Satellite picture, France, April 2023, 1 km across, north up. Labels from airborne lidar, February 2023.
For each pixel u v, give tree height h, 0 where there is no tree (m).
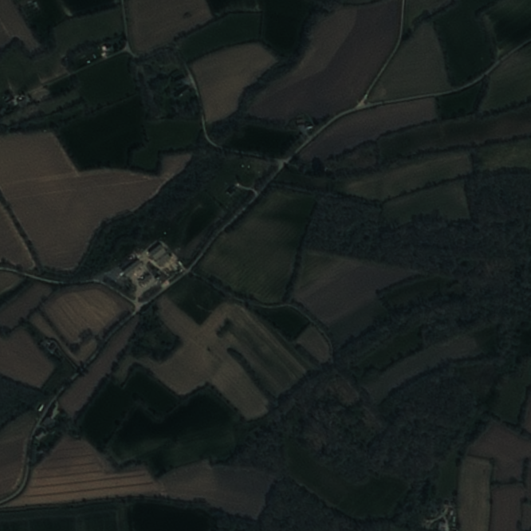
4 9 0
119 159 0
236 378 0
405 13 0
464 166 0
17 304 0
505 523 0
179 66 11
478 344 0
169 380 0
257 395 0
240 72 0
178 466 0
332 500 0
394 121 0
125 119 0
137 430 0
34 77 0
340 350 8
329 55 0
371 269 0
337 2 17
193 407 0
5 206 8
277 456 19
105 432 0
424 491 18
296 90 0
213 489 0
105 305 0
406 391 13
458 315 19
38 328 0
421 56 0
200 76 0
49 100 10
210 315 0
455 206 0
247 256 0
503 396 0
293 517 22
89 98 0
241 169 0
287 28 0
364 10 0
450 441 9
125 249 0
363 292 0
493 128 0
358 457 13
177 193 16
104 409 0
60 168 0
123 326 8
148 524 0
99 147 0
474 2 0
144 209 6
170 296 0
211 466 8
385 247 19
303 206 0
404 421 18
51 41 14
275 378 0
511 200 16
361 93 0
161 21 0
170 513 0
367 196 0
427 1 0
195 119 11
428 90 0
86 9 0
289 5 0
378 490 0
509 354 10
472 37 0
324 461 16
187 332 0
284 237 0
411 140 0
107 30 0
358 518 0
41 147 0
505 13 0
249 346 0
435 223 21
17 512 0
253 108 0
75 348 13
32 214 0
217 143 9
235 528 14
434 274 15
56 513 0
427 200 0
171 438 0
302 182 0
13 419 11
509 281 15
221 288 14
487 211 13
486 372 0
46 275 7
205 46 0
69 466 0
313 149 0
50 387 0
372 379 0
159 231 0
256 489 0
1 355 0
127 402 0
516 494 0
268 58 0
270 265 0
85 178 0
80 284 10
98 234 7
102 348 11
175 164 0
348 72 0
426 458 23
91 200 0
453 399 15
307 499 19
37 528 0
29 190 0
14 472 0
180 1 0
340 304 0
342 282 0
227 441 0
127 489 0
